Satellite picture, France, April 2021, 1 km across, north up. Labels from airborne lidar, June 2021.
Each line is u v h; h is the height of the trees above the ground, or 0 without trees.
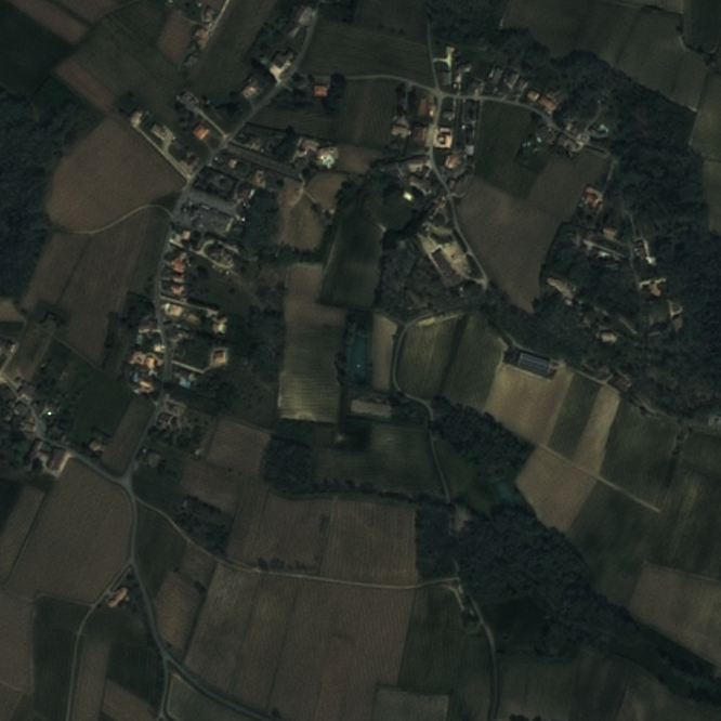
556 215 0
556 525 0
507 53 6
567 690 0
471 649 0
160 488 0
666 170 20
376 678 0
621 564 0
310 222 0
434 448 0
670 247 19
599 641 34
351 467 0
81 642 0
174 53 0
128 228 0
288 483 18
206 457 0
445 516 18
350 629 0
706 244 21
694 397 17
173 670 0
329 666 0
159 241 0
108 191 0
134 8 0
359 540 0
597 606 35
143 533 0
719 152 0
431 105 0
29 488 0
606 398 0
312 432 15
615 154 15
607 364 8
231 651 0
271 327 23
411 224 8
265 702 0
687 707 0
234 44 0
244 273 12
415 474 0
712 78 0
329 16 0
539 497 0
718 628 0
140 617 13
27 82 0
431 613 0
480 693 0
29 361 0
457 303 20
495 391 0
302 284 0
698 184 20
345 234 0
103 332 0
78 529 0
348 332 10
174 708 0
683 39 6
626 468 0
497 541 23
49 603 0
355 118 0
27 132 20
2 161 12
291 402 0
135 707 0
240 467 0
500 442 19
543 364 0
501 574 28
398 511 0
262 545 0
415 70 0
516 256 0
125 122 0
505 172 0
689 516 0
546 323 19
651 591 0
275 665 0
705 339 18
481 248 0
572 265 11
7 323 0
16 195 15
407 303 17
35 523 0
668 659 24
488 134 0
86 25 0
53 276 0
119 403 0
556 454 0
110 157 0
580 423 0
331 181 0
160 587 0
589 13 0
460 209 0
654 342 19
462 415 18
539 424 0
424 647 0
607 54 0
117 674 0
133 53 0
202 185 9
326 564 0
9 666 0
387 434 0
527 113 0
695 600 0
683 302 16
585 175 0
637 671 0
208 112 7
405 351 0
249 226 14
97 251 0
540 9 0
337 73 0
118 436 0
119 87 0
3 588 0
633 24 0
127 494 0
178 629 0
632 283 18
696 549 0
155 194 0
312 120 0
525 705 0
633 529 0
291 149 17
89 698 0
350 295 0
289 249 18
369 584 0
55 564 0
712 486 0
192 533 15
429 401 0
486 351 0
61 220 0
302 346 0
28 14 0
